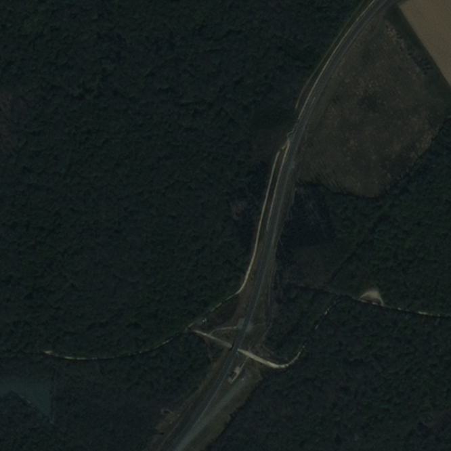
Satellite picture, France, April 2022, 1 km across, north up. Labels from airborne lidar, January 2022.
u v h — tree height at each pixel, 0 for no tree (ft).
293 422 87
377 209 73
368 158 0
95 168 79
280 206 0
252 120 73
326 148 0
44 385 0
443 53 0
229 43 65
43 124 61
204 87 93
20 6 94
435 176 76
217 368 0
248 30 77
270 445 62
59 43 72
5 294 84
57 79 95
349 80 0
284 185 0
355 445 70
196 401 0
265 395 81
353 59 0
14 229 89
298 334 77
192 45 72
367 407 75
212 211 93
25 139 93
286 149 0
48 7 86
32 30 43
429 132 0
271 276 0
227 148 72
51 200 78
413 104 0
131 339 80
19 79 82
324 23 79
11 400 64
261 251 0
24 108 78
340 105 0
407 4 0
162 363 68
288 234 43
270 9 73
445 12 0
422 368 85
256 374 0
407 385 81
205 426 0
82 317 89
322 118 0
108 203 96
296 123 0
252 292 0
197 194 92
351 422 71
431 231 77
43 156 71
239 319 0
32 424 65
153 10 60
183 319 63
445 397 89
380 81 0
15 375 75
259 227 0
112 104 78
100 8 72
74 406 77
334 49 0
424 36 0
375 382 90
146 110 64
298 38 85
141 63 78
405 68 0
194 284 74
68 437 74
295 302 70
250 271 0
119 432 74
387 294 65
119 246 82
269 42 71
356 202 69
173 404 52
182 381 79
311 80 0
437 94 0
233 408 0
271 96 90
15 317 85
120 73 83
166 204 81
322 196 62
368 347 84
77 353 60
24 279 75
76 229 77
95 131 61
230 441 63
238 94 88
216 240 85
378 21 0
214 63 84
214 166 71
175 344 94
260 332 0
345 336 97
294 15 86
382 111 0
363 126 0
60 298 72
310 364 84
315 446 78
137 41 72
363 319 69
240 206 0
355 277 84
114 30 82
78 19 87
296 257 56
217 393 0
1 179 84
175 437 0
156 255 79
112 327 81
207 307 64
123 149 73
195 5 83
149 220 87
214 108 83
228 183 84
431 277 78
